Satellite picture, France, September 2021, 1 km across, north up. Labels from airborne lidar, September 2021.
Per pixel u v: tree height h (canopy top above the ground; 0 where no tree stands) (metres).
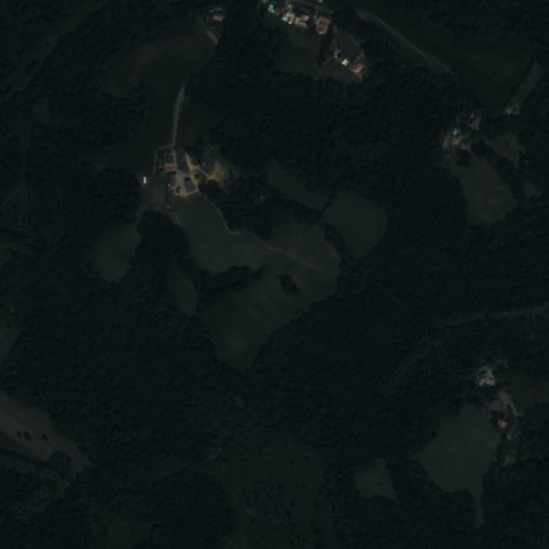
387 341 21
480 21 28
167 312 14
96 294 18
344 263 15
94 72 18
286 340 21
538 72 0
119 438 16
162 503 14
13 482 26
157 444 21
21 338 11
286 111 29
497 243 17
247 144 27
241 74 30
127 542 0
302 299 0
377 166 17
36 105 26
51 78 24
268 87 26
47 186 11
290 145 23
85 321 19
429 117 13
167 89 0
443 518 26
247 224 6
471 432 0
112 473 18
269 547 0
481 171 0
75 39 15
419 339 29
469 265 25
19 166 15
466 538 30
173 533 15
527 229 29
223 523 11
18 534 7
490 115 6
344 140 27
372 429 25
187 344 16
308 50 0
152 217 20
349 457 27
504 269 14
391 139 23
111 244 0
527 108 11
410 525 21
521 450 9
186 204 0
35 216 9
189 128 0
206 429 20
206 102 28
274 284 0
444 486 0
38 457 0
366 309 31
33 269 21
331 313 20
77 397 10
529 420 19
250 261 0
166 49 0
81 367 11
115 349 17
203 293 22
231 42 22
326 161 20
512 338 23
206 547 14
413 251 26
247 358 0
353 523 24
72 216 14
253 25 23
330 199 9
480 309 24
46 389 10
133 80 0
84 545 22
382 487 0
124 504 18
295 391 14
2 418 0
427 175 23
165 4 0
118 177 11
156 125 0
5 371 12
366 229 0
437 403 27
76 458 0
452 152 0
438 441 0
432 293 25
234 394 26
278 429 10
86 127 25
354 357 22
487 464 0
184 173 0
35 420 0
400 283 26
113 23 29
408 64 13
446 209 24
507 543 30
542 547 27
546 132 17
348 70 0
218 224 0
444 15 26
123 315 20
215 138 25
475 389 18
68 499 20
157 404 17
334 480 15
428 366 21
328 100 10
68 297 20
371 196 19
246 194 13
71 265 18
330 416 21
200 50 0
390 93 14
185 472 12
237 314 0
